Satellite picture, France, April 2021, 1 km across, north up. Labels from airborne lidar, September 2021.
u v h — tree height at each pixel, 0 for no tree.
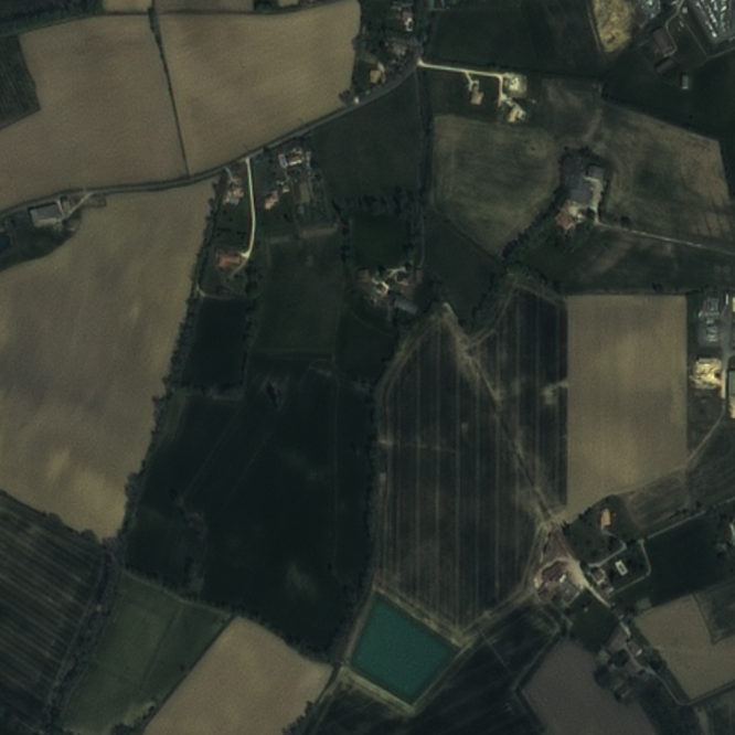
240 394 17
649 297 0
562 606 12
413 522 0
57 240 0
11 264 0
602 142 0
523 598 0
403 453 0
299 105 0
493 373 0
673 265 0
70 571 0
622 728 0
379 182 0
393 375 0
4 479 0
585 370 0
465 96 0
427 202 15
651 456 0
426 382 0
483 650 0
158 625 0
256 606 0
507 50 0
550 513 0
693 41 0
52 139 0
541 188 0
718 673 0
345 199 0
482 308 11
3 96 0
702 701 0
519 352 0
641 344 0
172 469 0
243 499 0
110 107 0
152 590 0
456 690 0
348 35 0
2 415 0
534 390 0
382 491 0
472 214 0
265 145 0
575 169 19
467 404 0
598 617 0
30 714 0
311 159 7
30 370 0
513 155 0
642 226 0
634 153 0
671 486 0
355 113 0
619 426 0
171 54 0
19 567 0
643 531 0
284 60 0
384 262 0
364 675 0
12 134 0
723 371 0
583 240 13
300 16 0
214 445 0
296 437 0
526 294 0
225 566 0
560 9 0
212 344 0
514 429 0
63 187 0
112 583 19
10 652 0
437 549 0
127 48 0
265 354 0
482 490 0
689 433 0
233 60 0
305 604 0
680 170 0
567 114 0
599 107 0
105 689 0
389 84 13
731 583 0
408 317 10
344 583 0
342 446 0
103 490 0
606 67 0
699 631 0
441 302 14
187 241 0
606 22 0
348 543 0
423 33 8
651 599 0
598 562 14
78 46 0
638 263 0
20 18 10
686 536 0
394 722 0
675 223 0
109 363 0
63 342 0
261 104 0
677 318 0
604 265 0
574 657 0
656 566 0
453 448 0
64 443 0
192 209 0
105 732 0
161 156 0
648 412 0
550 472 0
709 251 0
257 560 0
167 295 0
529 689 0
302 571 0
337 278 0
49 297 0
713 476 0
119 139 0
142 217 0
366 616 0
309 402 0
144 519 0
